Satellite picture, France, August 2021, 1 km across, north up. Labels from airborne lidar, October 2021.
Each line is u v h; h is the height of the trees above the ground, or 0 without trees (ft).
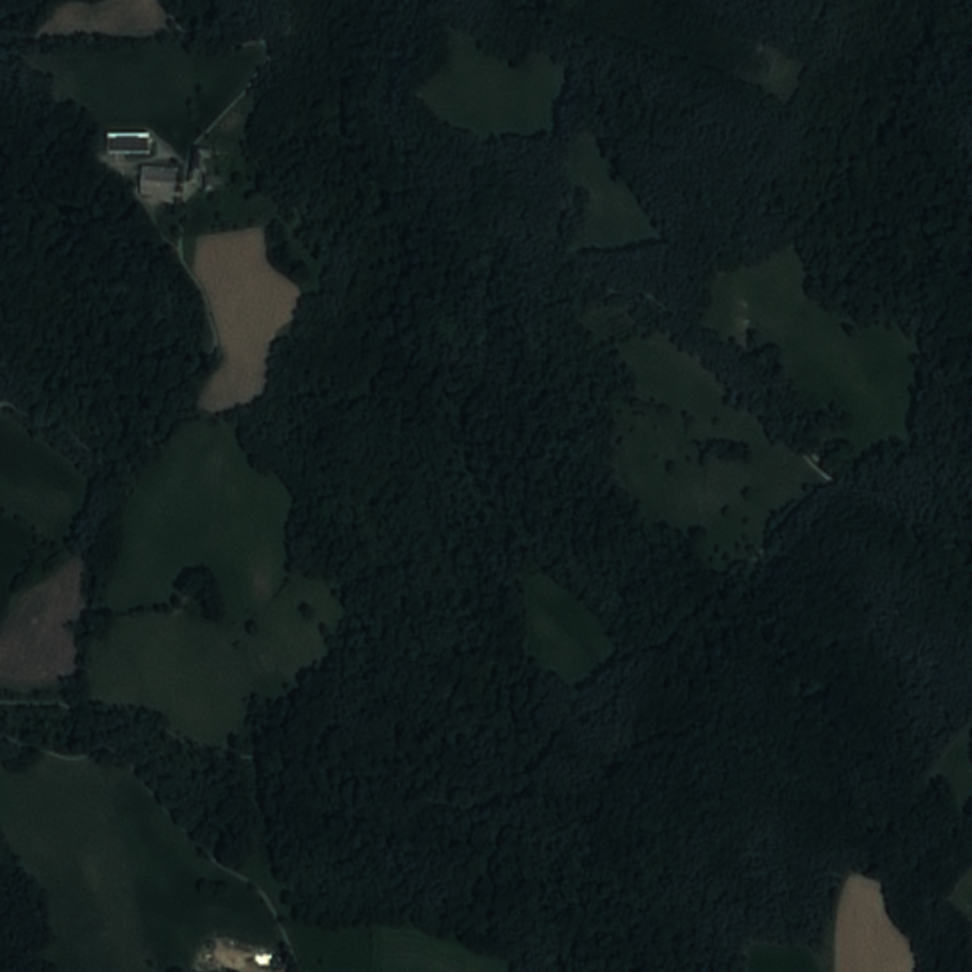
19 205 80
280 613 0
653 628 66
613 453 68
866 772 95
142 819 0
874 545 72
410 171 52
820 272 40
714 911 76
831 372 0
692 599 81
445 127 45
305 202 62
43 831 0
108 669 0
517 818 94
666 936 89
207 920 0
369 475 91
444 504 71
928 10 107
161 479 0
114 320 77
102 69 0
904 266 81
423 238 82
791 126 55
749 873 57
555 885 68
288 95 105
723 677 93
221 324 0
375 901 66
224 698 0
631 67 58
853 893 0
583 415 56
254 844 81
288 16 41
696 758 59
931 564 95
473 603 76
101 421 73
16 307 50
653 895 67
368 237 66
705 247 54
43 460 0
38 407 63
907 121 55
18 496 0
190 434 0
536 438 68
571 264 29
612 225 0
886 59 103
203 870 0
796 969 0
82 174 81
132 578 0
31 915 70
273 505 0
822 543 63
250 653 0
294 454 83
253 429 67
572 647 0
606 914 83
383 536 46
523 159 60
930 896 38
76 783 0
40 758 47
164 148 0
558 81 0
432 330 69
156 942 0
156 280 67
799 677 117
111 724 60
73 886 0
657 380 0
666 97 62
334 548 47
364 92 69
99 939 0
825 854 54
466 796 89
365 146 65
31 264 73
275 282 0
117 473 66
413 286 115
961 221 98
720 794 63
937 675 48
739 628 79
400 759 66
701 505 0
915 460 69
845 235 48
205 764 29
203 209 0
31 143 77
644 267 62
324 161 63
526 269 65
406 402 72
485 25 69
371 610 69
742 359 35
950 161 46
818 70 58
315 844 103
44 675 0
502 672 73
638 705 70
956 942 35
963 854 78
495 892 75
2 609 0
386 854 71
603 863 86
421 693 74
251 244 0
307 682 82
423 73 71
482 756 94
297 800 95
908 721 61
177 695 0
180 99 0
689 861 67
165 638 0
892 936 0
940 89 42
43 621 0
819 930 33
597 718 54
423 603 85
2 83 29
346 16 79
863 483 63
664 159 80
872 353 0
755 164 62
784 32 52
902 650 63
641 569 64
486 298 40
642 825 67
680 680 77
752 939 55
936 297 91
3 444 0
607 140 55
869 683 113
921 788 98
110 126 0
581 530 57
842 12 66
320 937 0
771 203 26
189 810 75
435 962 0
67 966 0
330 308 65
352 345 86
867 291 94
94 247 94
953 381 80
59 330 40
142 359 82
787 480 0
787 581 93
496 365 59
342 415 95
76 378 72
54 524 0
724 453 56
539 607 0
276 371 31
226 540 0
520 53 39
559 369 53
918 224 79
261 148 84
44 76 38
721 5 62
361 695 75
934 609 68
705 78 42
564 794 82
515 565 65
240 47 31
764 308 0
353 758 93
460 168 63
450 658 96
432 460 69
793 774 78
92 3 38
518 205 57
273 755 78
